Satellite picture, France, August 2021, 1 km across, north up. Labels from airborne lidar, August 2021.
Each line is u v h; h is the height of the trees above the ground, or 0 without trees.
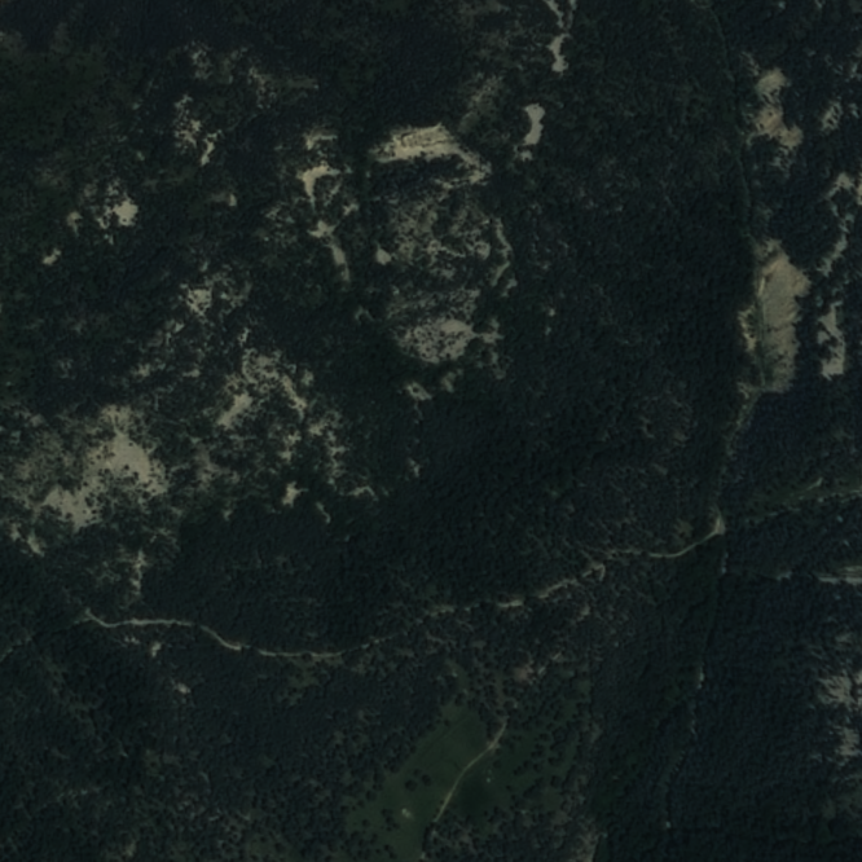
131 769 10
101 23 8
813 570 7
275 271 7
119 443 0
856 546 7
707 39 7
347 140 6
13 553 14
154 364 7
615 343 9
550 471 19
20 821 18
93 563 8
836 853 11
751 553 16
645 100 7
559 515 13
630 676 13
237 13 9
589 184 8
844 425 7
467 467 12
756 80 8
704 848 16
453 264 10
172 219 8
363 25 7
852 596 7
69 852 10
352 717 15
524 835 11
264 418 6
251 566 12
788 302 0
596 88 14
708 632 11
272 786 15
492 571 13
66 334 6
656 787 10
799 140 0
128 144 7
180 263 9
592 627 13
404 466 13
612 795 21
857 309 8
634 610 15
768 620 8
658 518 17
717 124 8
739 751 14
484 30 5
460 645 12
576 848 6
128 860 12
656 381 13
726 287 19
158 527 6
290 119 7
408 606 13
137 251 8
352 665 12
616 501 15
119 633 8
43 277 10
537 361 14
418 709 11
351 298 6
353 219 6
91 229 8
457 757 0
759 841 19
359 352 8
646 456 14
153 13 7
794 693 11
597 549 12
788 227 9
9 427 6
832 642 6
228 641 11
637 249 11
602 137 7
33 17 6
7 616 10
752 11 7
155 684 12
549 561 10
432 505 13
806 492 0
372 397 8
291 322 6
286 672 11
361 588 12
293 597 14
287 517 9
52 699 14
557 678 11
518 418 10
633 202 9
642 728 18
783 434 8
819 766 7
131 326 8
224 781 13
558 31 6
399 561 10
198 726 12
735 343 10
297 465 8
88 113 7
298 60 7
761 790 15
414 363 9
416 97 8
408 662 13
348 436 6
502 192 7
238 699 16
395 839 0
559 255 9
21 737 8
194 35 6
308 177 0
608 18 6
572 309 8
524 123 8
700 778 10
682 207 17
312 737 15
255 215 7
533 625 9
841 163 10
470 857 12
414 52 7
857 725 7
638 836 17
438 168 6
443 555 20
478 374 9
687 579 17
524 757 0
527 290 8
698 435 15
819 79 6
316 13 6
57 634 12
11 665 16
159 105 7
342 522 9
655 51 7
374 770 12
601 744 10
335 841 10
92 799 8
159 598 13
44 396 8
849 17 6
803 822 16
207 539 9
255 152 8
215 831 10
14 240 8
